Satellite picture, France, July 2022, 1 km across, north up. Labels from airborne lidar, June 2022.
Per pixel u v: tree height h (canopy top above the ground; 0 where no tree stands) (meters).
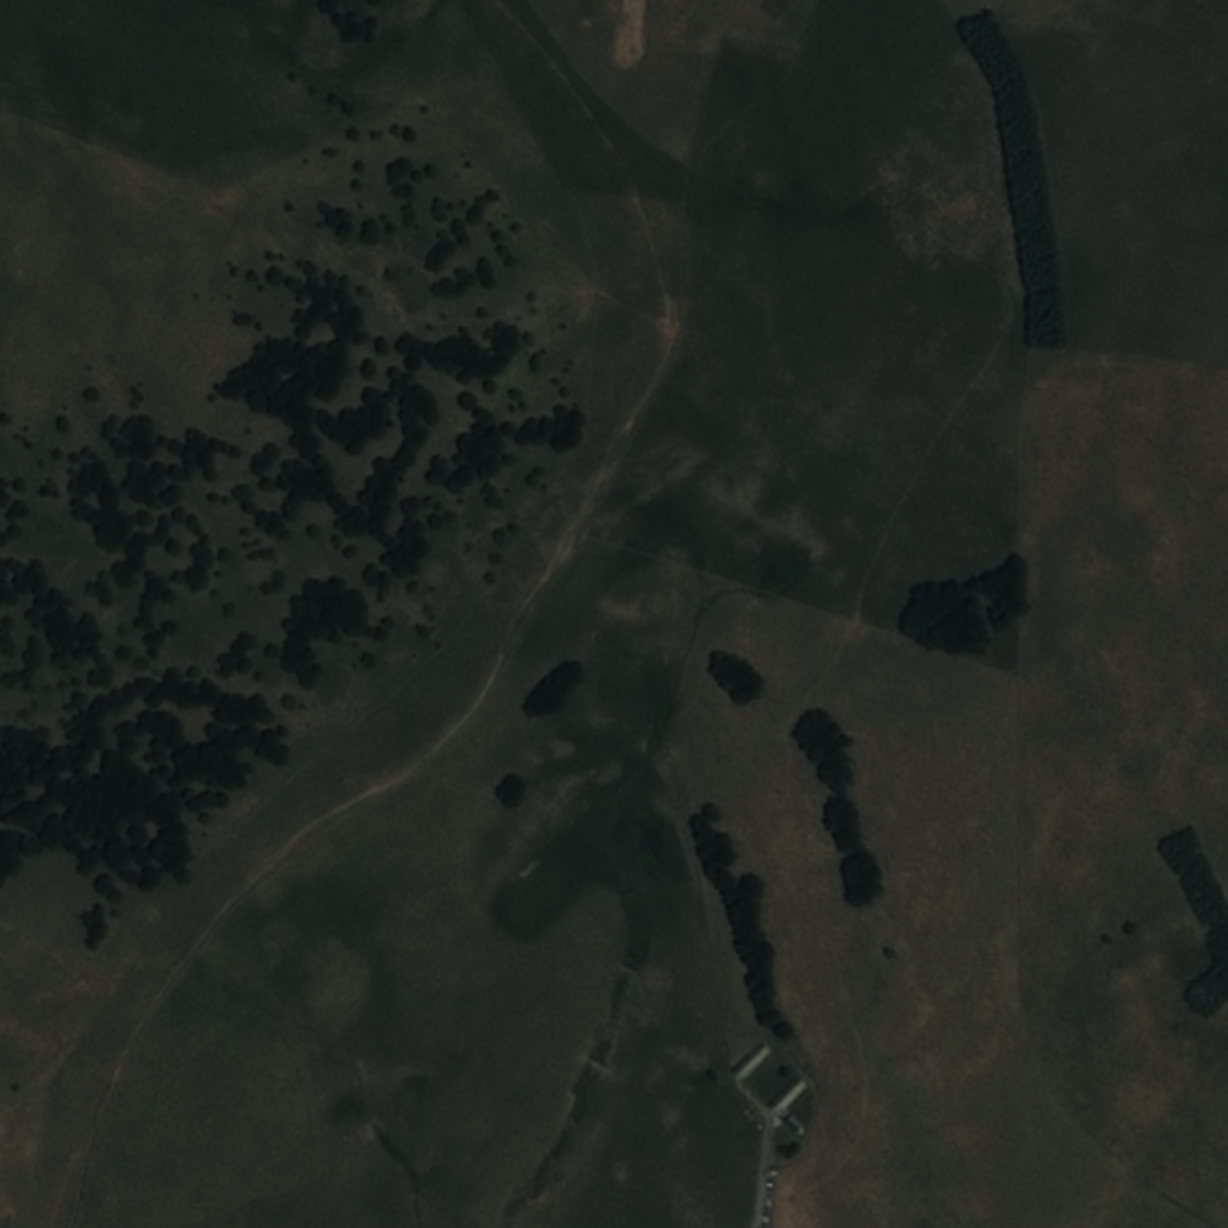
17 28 0
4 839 13
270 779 0
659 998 0
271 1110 0
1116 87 0
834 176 0
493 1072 0
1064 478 0
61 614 9
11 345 0
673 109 0
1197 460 0
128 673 0
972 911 0
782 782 0
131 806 15
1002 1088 0
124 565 7
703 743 0
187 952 0
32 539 0
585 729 0
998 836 0
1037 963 0
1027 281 11
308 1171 0
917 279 0
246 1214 0
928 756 0
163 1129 0
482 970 0
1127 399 0
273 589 6
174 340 0
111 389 0
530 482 9
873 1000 0
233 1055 0
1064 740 0
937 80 0
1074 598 0
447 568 0
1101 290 0
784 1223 0
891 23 0
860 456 0
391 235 8
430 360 9
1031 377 0
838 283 0
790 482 0
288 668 8
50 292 0
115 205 0
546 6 0
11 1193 0
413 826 0
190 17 0
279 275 10
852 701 0
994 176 0
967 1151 0
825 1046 0
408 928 0
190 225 0
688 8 0
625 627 0
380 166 0
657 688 0
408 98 0
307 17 0
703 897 0
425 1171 0
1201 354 0
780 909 0
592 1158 0
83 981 0
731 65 0
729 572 0
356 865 0
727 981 0
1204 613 0
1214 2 0
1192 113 0
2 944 0
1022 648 0
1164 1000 0
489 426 7
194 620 0
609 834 0
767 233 0
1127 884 0
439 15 0
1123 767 0
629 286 0
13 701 0
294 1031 0
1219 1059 0
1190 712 0
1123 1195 0
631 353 0
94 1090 0
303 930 0
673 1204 0
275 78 0
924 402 0
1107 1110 0
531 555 0
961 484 0
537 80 0
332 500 12
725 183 0
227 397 9
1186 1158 0
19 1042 0
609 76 0
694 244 0
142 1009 0
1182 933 0
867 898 13
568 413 10
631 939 0
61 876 0
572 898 0
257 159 0
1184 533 0
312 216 0
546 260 0
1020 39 0
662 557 0
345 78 0
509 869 0
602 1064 0
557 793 0
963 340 0
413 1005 0
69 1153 0
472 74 0
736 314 0
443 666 0
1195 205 0
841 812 15
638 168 0
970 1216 0
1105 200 0
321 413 9
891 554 0
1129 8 0
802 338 0
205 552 7
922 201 0
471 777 0
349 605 11
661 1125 0
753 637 0
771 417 0
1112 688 0
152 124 0
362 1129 0
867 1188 0
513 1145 0
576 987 0
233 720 12
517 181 0
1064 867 0
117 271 0
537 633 0
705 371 0
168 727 13
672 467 0
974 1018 0
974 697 0
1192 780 0
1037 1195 0
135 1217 0
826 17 0
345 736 0
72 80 0
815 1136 0
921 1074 0
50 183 0
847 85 0
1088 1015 0
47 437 0
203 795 7
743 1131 0
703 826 14
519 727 0
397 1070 0
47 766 7
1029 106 17
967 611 17
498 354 10
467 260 0
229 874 0
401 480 6
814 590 0
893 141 0
